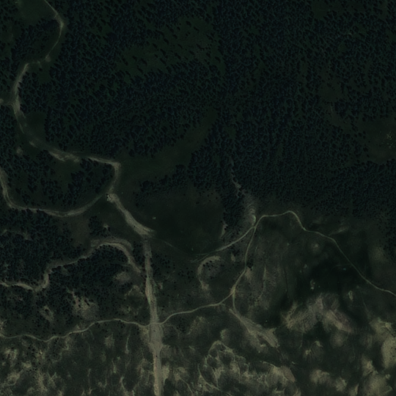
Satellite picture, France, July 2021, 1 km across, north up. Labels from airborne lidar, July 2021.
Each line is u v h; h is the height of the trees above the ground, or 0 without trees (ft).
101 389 0
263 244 0
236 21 36
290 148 42
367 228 0
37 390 0
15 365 0
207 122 0
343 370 0
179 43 0
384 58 77
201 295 0
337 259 0
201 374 0
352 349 0
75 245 0
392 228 28
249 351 0
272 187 27
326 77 0
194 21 0
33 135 0
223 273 0
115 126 31
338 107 56
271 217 0
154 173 0
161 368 0
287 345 0
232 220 28
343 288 0
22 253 42
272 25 49
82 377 0
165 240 0
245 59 60
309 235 0
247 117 73
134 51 0
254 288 0
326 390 0
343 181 56
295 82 51
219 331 0
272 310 0
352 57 55
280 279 0
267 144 68
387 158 0
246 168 32
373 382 0
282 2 57
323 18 0
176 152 0
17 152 0
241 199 31
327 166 54
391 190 36
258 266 0
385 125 0
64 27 0
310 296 0
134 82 77
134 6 36
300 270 0
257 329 0
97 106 82
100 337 0
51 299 19
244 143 61
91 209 0
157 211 0
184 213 0
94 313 0
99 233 30
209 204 0
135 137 79
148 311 0
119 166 0
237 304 0
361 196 40
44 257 32
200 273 0
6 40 0
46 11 0
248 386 0
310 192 31
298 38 54
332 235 0
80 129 66
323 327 0
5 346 0
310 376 0
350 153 37
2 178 0
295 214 0
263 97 59
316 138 50
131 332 0
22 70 0
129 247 0
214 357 0
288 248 0
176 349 0
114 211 0
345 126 0
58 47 0
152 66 0
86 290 30
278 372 0
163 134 54
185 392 0
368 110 49
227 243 0
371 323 0
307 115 36
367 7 74
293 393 0
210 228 0
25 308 25
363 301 0
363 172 45
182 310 0
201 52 0
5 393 0
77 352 0
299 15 72
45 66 0
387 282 0
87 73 68
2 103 0
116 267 32
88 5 65
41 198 0
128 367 0
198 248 0
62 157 0
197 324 0
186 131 53
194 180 30
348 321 0
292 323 0
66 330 0
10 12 47
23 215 26
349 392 0
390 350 0
